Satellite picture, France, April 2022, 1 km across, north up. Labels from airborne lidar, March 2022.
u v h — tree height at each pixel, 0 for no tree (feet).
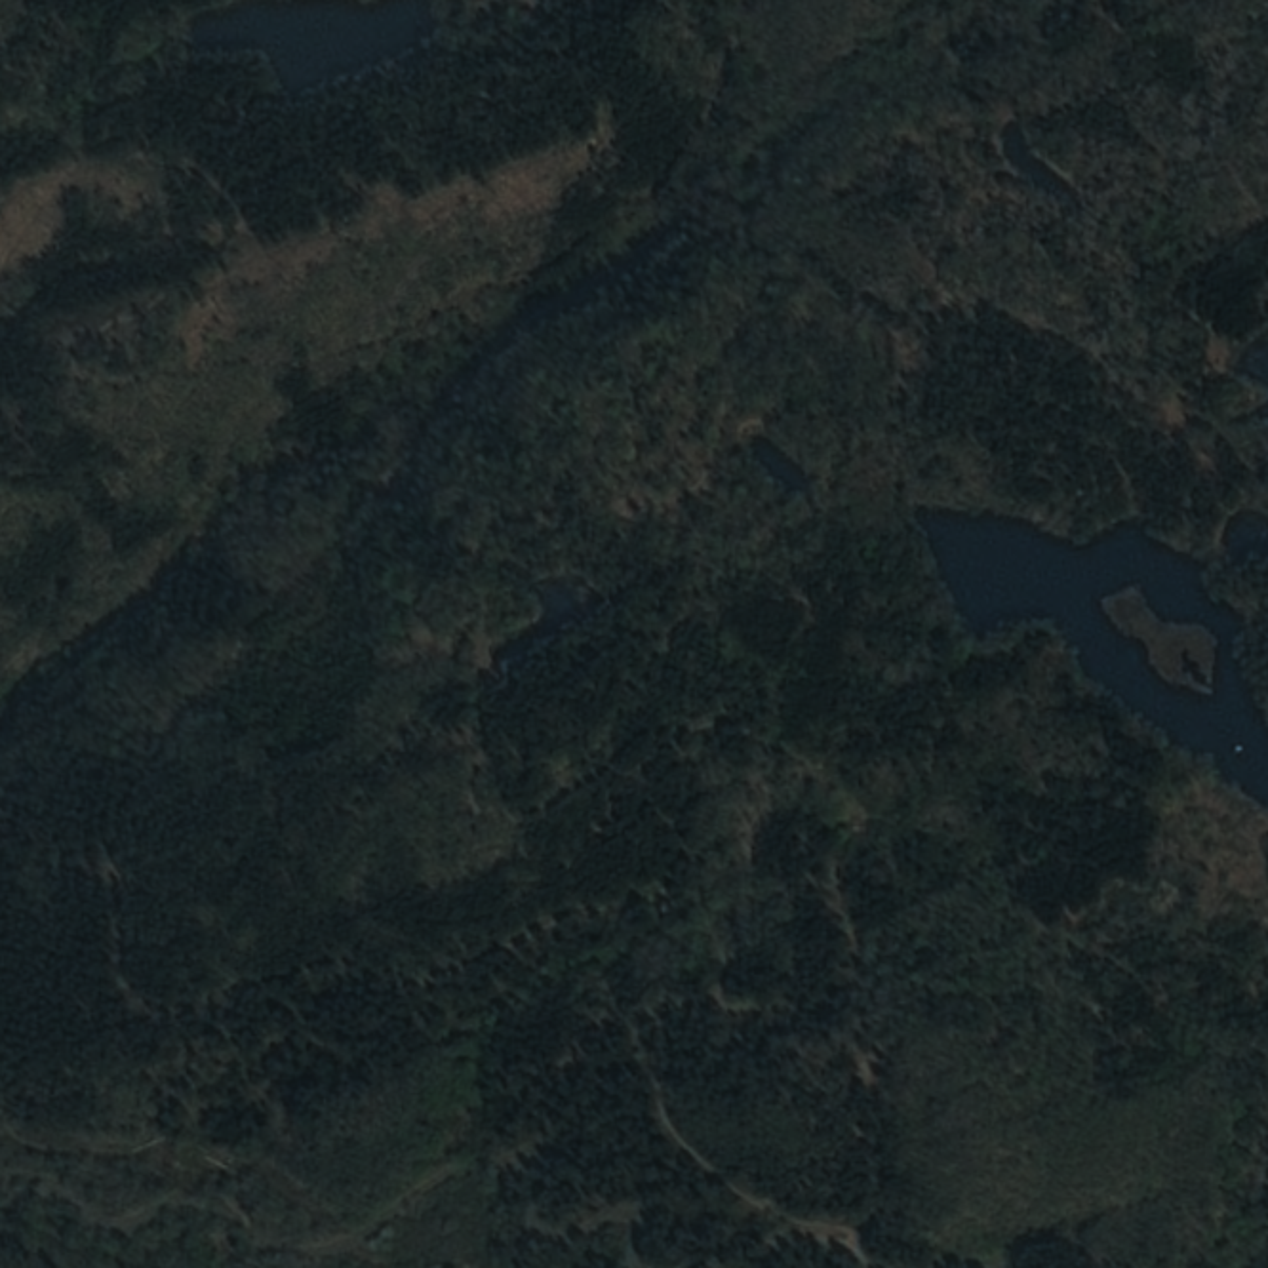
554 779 38
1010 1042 77
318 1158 58
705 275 56
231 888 72
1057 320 60
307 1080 25
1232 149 73
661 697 85
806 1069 69
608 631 89
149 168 39
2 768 78
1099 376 71
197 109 63
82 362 45
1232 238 66
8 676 33
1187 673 0
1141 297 69
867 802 26
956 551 0
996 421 41
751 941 73
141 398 33
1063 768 29
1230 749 0
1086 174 32
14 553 61
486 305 74
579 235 66
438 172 58
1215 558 47
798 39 50
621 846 112
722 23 87
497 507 48
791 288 52
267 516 84
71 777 69
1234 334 48
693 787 87
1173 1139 65
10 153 104
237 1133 39
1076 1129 55
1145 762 60
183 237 71
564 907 81
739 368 66
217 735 61
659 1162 26
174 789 73
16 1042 96
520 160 83
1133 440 53
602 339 45
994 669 48
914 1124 59
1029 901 54
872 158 27
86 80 77
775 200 91
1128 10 70
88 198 38
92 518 81
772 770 72
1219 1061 65
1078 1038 69
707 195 103
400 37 0
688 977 66
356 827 75
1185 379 92
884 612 36
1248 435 53
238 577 77
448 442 37
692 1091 95
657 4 41
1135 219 71
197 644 73
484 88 82
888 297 54
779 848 83
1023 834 49
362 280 52
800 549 39
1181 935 60
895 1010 59
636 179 73
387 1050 94
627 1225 0
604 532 56
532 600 48
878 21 44
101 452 70
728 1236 82
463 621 51
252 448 54
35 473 68
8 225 72
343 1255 21
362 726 49
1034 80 66
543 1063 101
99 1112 68
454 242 36
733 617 42
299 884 79
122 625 81
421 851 43
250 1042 111
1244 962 41
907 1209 60
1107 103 36
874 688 43
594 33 88
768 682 42
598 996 66
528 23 81
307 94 54
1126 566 0
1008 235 47
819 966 74
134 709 71
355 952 82
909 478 70
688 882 97
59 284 65
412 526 56
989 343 80
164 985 67
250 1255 52
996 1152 48
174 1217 64
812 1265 89
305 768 76
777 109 75
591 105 71
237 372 61
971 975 40
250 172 92
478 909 88
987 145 36
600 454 50
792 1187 85
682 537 31
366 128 88
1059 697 25
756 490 44
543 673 89
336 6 0
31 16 67
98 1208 44
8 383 74
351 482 68
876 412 45
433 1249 25
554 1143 115
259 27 0
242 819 62
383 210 46
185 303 42
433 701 58
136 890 79
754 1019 19
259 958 69
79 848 60
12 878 92
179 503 78
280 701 23
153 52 31
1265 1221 66
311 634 21
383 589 38
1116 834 51
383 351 40
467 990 89
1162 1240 73
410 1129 75
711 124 24
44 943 83
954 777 22
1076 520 42
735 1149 68
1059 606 0
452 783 76
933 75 70
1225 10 61
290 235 77
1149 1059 32
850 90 84
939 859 20
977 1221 26
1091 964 46
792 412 45
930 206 27
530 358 60
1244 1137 60
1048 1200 63
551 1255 99
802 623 36
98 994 89
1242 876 0
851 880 25
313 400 64
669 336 49
